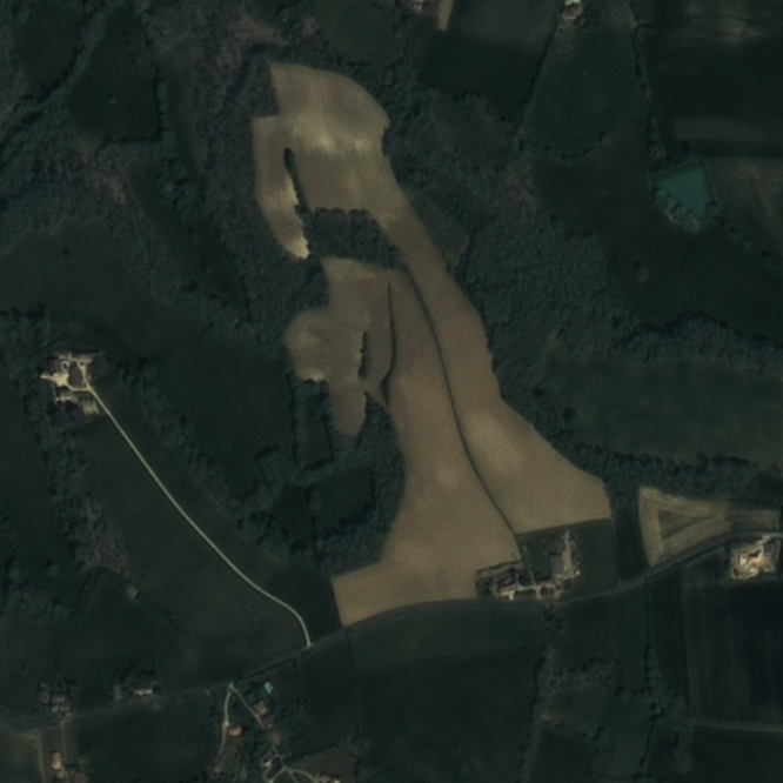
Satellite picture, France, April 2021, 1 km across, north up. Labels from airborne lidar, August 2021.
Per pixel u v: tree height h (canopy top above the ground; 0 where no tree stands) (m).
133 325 0
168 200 11
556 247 19
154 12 16
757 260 0
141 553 0
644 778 10
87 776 0
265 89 11
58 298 0
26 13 19
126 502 0
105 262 0
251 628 0
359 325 0
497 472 0
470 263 15
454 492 0
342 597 0
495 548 0
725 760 0
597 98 0
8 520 9
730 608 0
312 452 0
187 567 0
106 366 18
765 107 0
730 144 0
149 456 0
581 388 0
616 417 0
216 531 0
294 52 13
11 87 21
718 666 0
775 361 22
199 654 0
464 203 5
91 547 14
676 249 0
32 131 24
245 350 0
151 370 19
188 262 0
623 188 0
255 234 19
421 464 0
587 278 21
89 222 9
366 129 0
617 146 0
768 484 0
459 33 0
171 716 0
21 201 22
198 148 0
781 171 0
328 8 0
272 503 12
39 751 0
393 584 0
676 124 0
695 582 0
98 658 0
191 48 0
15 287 0
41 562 0
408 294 0
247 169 12
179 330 0
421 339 0
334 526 0
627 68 0
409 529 0
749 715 0
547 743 0
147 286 13
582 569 0
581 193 0
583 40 0
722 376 0
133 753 0
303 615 0
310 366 0
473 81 0
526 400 21
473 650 0
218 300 11
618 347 17
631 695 7
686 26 0
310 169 0
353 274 0
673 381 0
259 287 17
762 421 0
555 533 0
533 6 0
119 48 0
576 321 23
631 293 0
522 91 0
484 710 0
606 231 0
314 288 19
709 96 0
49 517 0
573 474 0
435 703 0
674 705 20
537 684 16
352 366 0
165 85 11
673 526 0
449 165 21
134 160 13
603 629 0
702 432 0
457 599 0
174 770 0
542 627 0
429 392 0
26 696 0
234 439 0
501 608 0
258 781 7
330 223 17
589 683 13
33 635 0
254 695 11
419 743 0
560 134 0
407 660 0
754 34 0
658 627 0
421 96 19
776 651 0
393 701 0
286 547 19
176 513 0
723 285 0
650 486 21
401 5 12
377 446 22
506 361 19
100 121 0
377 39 0
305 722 0
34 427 16
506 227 16
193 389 0
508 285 21
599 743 11
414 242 0
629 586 0
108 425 0
